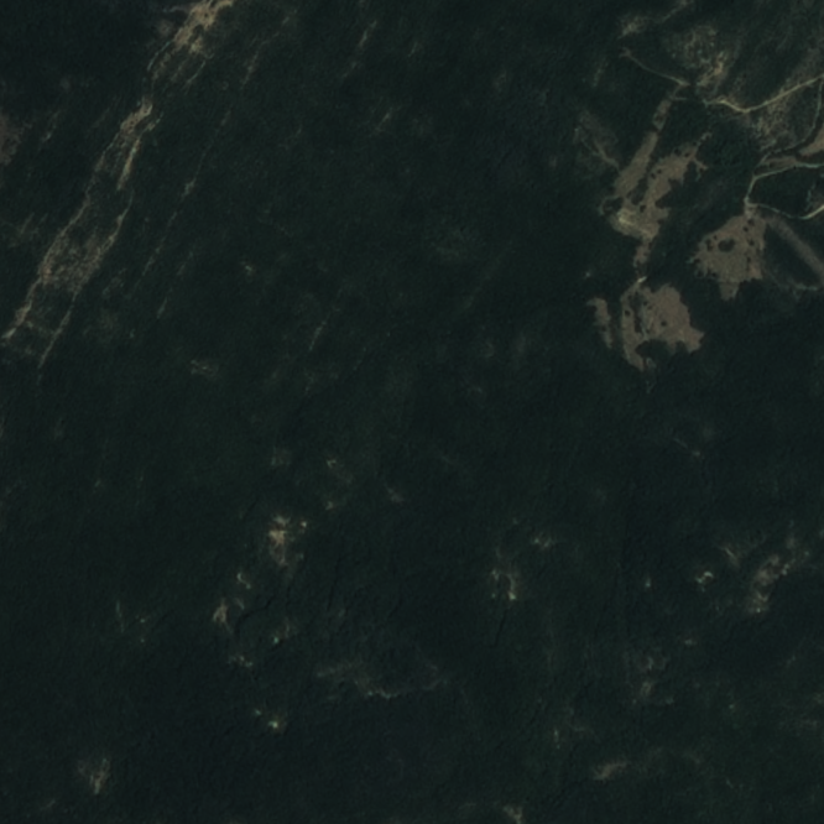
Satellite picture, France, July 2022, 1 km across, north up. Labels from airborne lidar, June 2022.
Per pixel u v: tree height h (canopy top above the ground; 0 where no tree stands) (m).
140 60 8
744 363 9
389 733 8
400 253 6
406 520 6
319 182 6
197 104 7
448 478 6
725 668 5
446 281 6
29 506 8
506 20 6
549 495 9
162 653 13
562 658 10
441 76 8
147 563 12
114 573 10
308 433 10
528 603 8
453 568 7
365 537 9
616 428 6
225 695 12
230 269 7
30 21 11
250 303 7
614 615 7
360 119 7
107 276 8
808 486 6
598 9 6
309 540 9
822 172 8
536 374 6
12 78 10
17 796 7
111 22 10
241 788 11
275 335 8
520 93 6
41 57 6
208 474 8
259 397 8
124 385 7
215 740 12
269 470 8
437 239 7
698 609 9
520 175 13
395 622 11
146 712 14
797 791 6
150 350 10
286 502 9
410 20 9
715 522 8
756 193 7
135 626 7
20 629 13
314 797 9
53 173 9
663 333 0
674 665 6
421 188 7
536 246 7
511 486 9
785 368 8
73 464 13
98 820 9
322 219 9
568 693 11
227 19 6
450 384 7
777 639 7
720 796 7
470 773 9
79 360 9
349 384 10
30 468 13
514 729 13
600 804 6
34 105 6
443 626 12
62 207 11
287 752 10
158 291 7
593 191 6
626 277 9
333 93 8
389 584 9
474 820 8
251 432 6
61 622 11
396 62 6
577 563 6
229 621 7
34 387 6
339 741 10
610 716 10
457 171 8
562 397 7
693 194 6
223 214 7
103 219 7
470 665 13
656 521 7
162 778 14
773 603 6
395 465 9
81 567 12
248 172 7
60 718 10
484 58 8
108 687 13
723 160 12
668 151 6
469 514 7
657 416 7
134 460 9
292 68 10
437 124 6
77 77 7
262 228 9
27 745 8
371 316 7
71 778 7
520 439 9
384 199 9
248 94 8
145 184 8
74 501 9
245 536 9
